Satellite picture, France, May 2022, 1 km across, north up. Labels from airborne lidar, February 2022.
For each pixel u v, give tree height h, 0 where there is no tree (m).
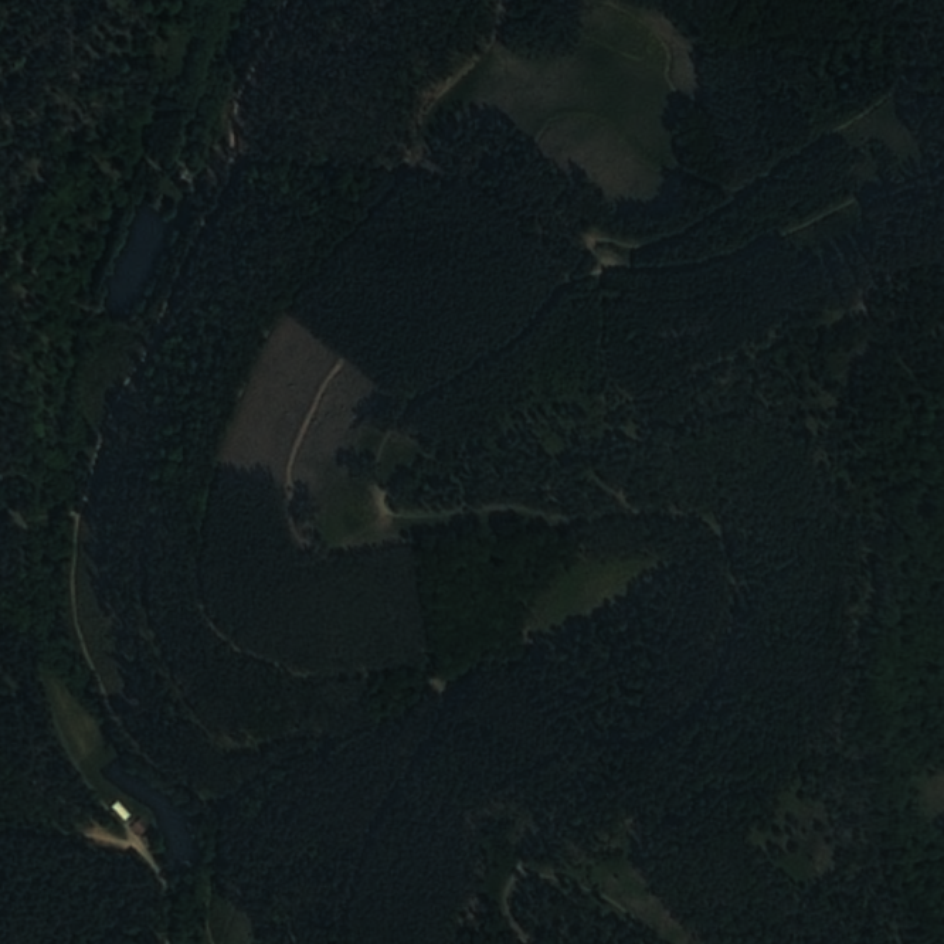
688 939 0
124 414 30
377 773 22
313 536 17
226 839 26
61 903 32
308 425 0
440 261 25
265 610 28
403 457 0
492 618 32
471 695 26
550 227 23
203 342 30
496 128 27
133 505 28
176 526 25
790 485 23
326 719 25
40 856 34
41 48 26
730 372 6
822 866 0
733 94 22
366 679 29
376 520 0
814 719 24
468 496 25
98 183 30
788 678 25
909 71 31
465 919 23
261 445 0
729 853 22
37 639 25
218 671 23
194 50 22
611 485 26
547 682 29
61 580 16
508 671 29
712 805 28
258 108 33
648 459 27
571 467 26
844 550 15
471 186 21
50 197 27
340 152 29
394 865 26
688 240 13
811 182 13
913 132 24
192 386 29
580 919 30
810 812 0
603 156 0
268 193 29
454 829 28
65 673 23
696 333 9
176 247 21
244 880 24
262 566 23
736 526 25
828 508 24
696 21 24
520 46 19
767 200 14
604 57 0
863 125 0
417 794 25
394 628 24
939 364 25
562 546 27
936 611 24
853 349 8
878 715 25
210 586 25
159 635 25
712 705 22
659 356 19
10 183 33
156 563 25
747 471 25
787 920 26
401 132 28
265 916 16
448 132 28
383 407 21
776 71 19
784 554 26
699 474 26
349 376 0
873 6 22
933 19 27
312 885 27
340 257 21
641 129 0
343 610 25
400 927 20
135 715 30
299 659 24
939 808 0
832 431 8
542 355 13
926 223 27
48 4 27
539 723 26
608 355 10
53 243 30
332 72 30
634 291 12
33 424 32
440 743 27
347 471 27
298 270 25
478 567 28
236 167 37
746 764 32
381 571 19
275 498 23
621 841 0
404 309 23
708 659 25
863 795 10
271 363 0
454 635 27
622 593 0
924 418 16
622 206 0
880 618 20
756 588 25
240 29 17
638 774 28
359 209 21
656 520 26
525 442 25
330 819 23
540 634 0
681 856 27
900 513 24
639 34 0
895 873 21
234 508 21
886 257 25
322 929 24
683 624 28
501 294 25
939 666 29
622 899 0
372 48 25
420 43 29
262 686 28
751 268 15
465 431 14
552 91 0
